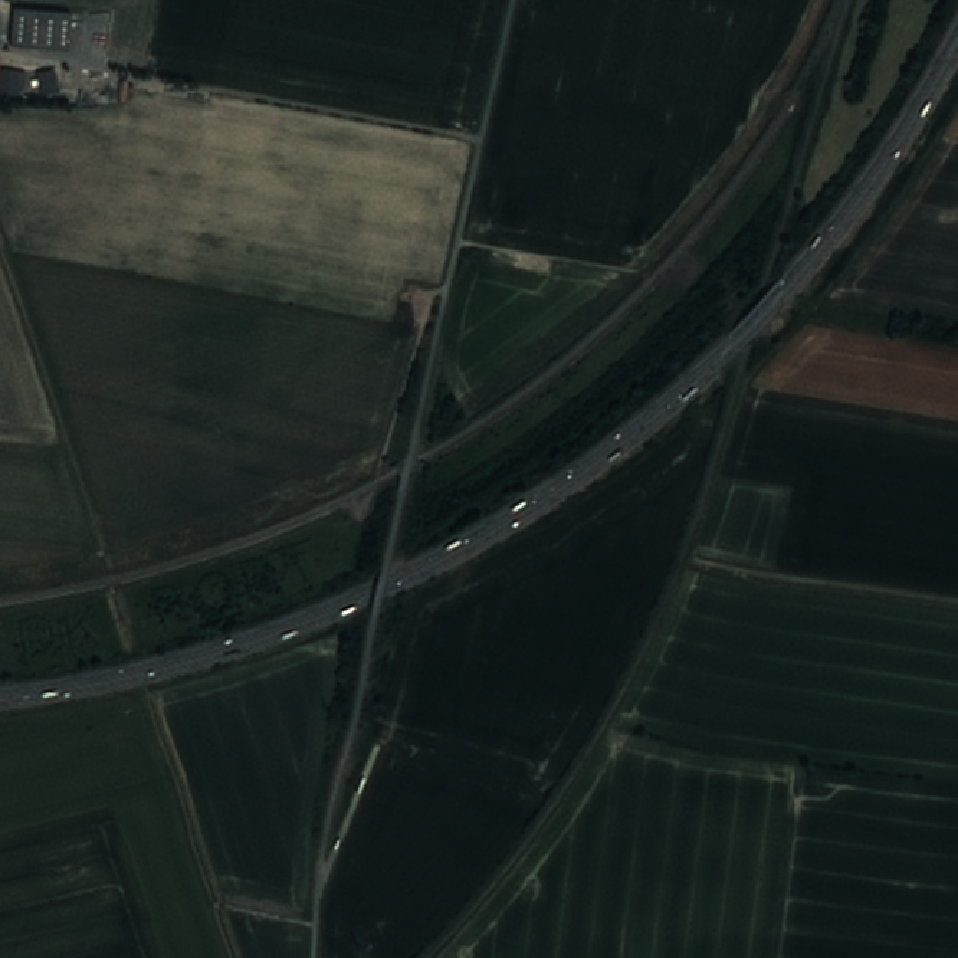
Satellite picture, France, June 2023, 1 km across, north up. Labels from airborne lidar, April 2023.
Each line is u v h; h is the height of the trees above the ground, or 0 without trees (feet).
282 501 0
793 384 0
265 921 0
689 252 0
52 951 0
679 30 0
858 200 0
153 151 0
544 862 0
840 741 0
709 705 0
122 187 0
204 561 0
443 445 0
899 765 0
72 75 0
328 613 0
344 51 0
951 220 0
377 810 0
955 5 0
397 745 0
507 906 0
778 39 0
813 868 0
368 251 0
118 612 0
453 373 0
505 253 0
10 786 0
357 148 0
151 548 0
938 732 0
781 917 0
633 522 0
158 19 0
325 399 0
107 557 0
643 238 0
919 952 0
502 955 0
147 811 0
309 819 0
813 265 0
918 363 0
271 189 0
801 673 0
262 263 0
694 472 0
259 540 0
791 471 0
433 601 0
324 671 0
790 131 0
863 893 0
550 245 0
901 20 0
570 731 0
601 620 0
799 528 0
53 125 0
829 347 0
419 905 0
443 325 0
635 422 0
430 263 0
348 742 0
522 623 0
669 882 0
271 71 0
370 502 0
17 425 0
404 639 0
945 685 0
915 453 0
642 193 0
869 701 0
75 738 0
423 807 0
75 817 0
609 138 0
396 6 0
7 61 0
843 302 0
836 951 0
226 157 0
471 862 0
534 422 0
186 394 0
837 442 0
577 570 0
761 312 0
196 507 0
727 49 0
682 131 0
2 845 0
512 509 0
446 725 0
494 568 0
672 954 0
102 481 0
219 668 22
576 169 0
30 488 0
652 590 0
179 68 0
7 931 0
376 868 0
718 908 0
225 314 0
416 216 0
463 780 0
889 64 0
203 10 0
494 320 0
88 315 0
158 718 0
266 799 0
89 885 0
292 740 0
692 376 0
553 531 0
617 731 0
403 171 0
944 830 0
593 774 0
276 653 0
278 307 0
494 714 0
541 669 0
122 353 0
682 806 0
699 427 0
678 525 0
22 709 0
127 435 0
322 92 0
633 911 0
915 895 0
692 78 0
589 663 0
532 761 0
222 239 0
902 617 0
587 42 0
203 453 0
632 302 0
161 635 0
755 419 0
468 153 0
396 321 0
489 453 0
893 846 0
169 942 0
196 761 0
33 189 0
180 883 0
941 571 0
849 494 0
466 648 0
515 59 0
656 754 0
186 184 0
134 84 0
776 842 0
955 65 0
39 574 0
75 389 0
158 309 0
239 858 0
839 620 0
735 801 0
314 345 0
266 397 0
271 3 0
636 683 0
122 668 0
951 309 0
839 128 0
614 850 0
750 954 0
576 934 0
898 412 0
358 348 0
